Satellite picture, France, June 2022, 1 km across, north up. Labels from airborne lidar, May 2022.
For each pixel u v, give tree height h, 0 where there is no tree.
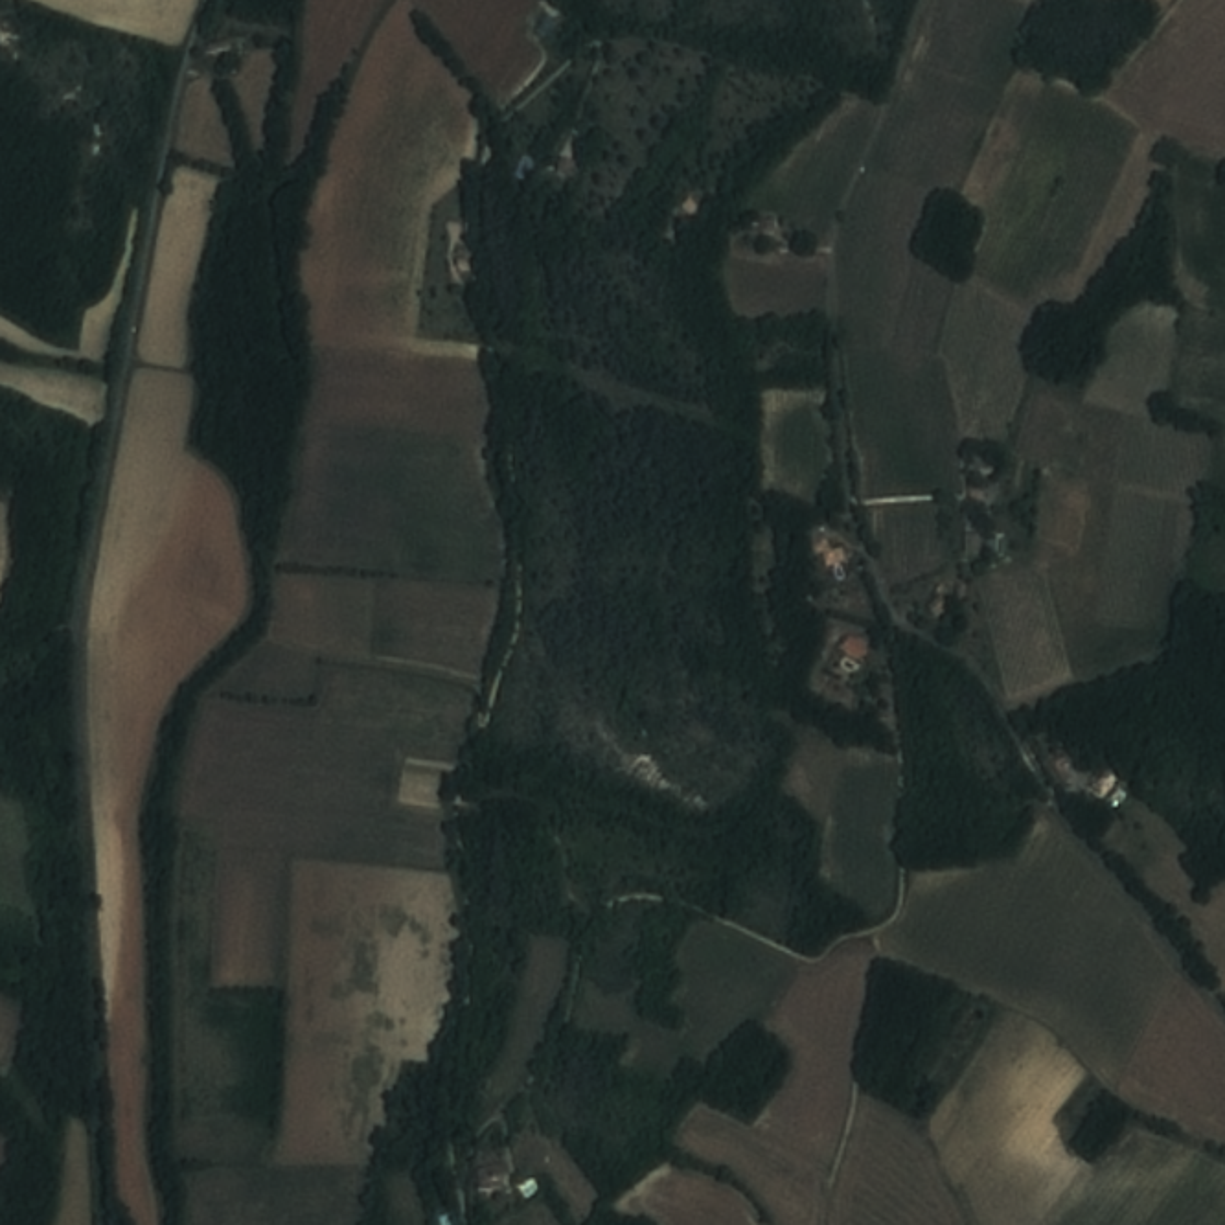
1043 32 21
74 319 14
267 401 15
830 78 15
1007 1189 0
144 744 0
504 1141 6
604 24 10
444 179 0
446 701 0
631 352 7
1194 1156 0
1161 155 14
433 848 0
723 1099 15
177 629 0
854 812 0
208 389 10
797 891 8
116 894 0
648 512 7
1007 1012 0
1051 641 0
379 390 0
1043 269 0
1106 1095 9
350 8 0
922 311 0
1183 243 0
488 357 17
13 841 0
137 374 0
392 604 0
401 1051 0
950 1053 0
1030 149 0
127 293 13
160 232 0
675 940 7
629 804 9
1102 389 0
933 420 0
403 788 0
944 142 0
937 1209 0
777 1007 0
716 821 7
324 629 0
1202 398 0
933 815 11
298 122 0
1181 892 0
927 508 0
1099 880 0
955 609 15
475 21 0
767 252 14
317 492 0
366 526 0
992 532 15
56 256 14
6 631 20
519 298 16
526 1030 0
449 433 0
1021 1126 0
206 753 0
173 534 0
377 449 0
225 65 15
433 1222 7
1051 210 0
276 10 17
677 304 8
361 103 0
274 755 0
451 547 0
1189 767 6
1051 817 0
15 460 13
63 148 12
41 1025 13
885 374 0
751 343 10
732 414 12
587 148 15
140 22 0
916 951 0
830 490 9
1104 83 23
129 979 0
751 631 10
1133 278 16
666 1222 0
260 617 18
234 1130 0
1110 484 0
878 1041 19
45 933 12
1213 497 16
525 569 6
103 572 0
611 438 12
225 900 0
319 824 0
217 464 8
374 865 0
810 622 14
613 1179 13
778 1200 0
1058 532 0
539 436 11
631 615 8
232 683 0
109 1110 16
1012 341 0
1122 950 0
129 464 0
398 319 0
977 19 0
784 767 9
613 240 10
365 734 0
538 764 13
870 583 12
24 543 9
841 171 0
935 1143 0
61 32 11
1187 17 0
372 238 0
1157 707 18
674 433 20
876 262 0
